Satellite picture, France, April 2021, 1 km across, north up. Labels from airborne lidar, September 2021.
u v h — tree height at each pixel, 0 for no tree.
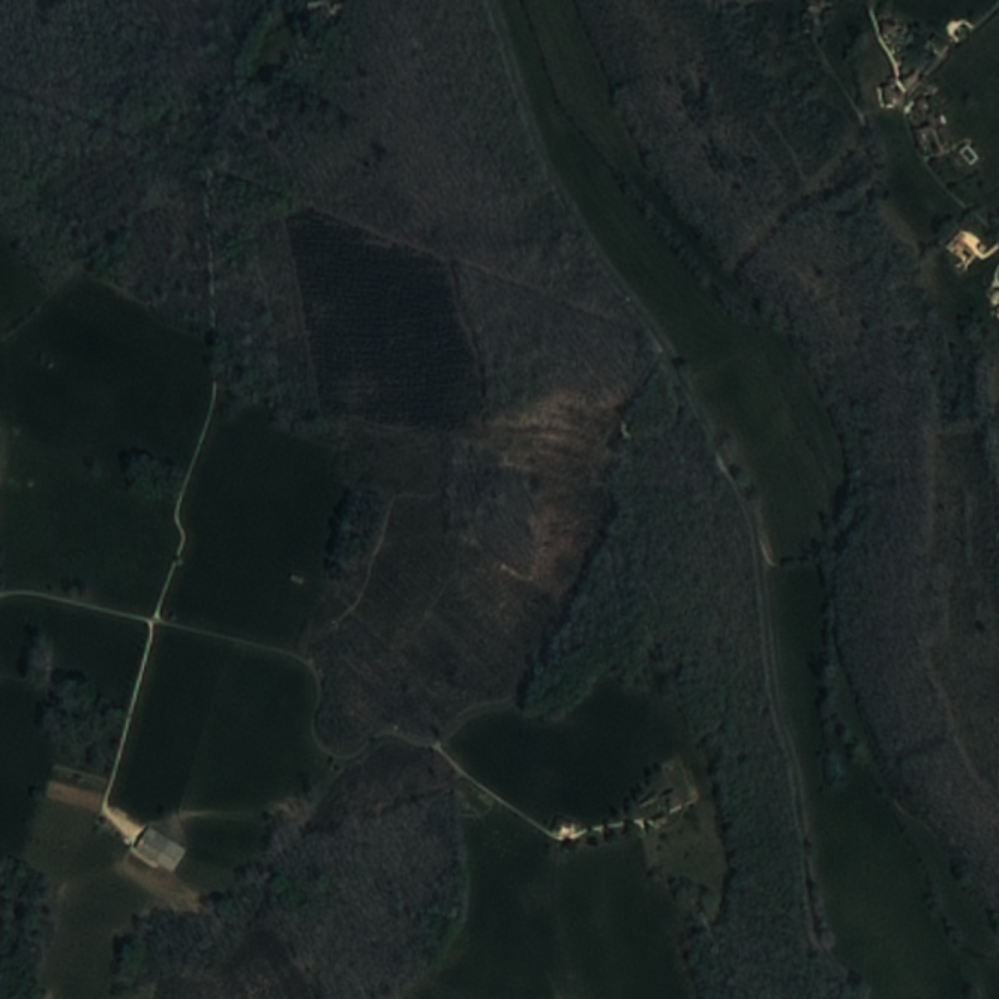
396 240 7
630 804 8
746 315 16
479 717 0
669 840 7
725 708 20
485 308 17
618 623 20
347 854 21
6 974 12
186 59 16
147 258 12
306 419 9
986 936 0
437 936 22
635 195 17
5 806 0
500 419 14
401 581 0
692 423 14
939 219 0
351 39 14
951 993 0
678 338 0
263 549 0
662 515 16
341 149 17
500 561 13
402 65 23
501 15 0
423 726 11
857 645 19
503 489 0
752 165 11
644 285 0
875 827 0
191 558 0
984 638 13
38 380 0
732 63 7
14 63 21
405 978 24
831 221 23
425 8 19
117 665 0
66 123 24
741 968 23
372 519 21
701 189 15
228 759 0
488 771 0
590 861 0
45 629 0
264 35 11
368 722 14
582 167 0
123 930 0
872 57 0
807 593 0
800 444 0
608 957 0
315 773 0
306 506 0
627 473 22
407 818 19
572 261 17
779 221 0
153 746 0
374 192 10
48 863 0
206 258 6
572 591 6
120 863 0
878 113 0
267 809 0
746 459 0
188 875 0
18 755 0
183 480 19
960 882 19
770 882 22
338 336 6
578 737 0
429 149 17
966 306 0
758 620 13
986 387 14
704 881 0
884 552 19
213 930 19
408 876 21
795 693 0
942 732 9
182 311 8
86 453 0
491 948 0
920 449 18
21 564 0
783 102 11
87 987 0
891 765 12
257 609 0
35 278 9
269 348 17
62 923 0
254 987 0
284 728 0
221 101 11
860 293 18
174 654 0
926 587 12
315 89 15
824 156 6
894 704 13
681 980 0
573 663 22
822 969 23
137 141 7
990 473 20
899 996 0
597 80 0
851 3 18
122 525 0
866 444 21
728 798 19
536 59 0
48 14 21
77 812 0
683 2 10
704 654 19
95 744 7
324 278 6
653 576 16
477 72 17
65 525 0
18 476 0
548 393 18
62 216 7
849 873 0
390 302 6
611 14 7
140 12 18
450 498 20
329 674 12
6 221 15
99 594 0
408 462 0
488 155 15
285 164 16
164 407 0
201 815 0
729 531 16
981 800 12
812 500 0
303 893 23
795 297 16
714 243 20
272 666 0
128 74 20
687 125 7
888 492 12
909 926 0
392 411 6
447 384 6
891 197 8
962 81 0
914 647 10
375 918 23
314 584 0
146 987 17
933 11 0
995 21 0
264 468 0
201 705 0
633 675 16
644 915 0
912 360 21
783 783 19
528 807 0
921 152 9
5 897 10
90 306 0
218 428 0
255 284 20
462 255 15
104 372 0
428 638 0
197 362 0
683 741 0
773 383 0
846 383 11
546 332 19
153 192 22
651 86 8
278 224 7
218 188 14
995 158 0
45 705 0
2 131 24
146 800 0
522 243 10
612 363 18
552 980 0
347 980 19
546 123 0
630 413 20
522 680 0
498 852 0
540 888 0
